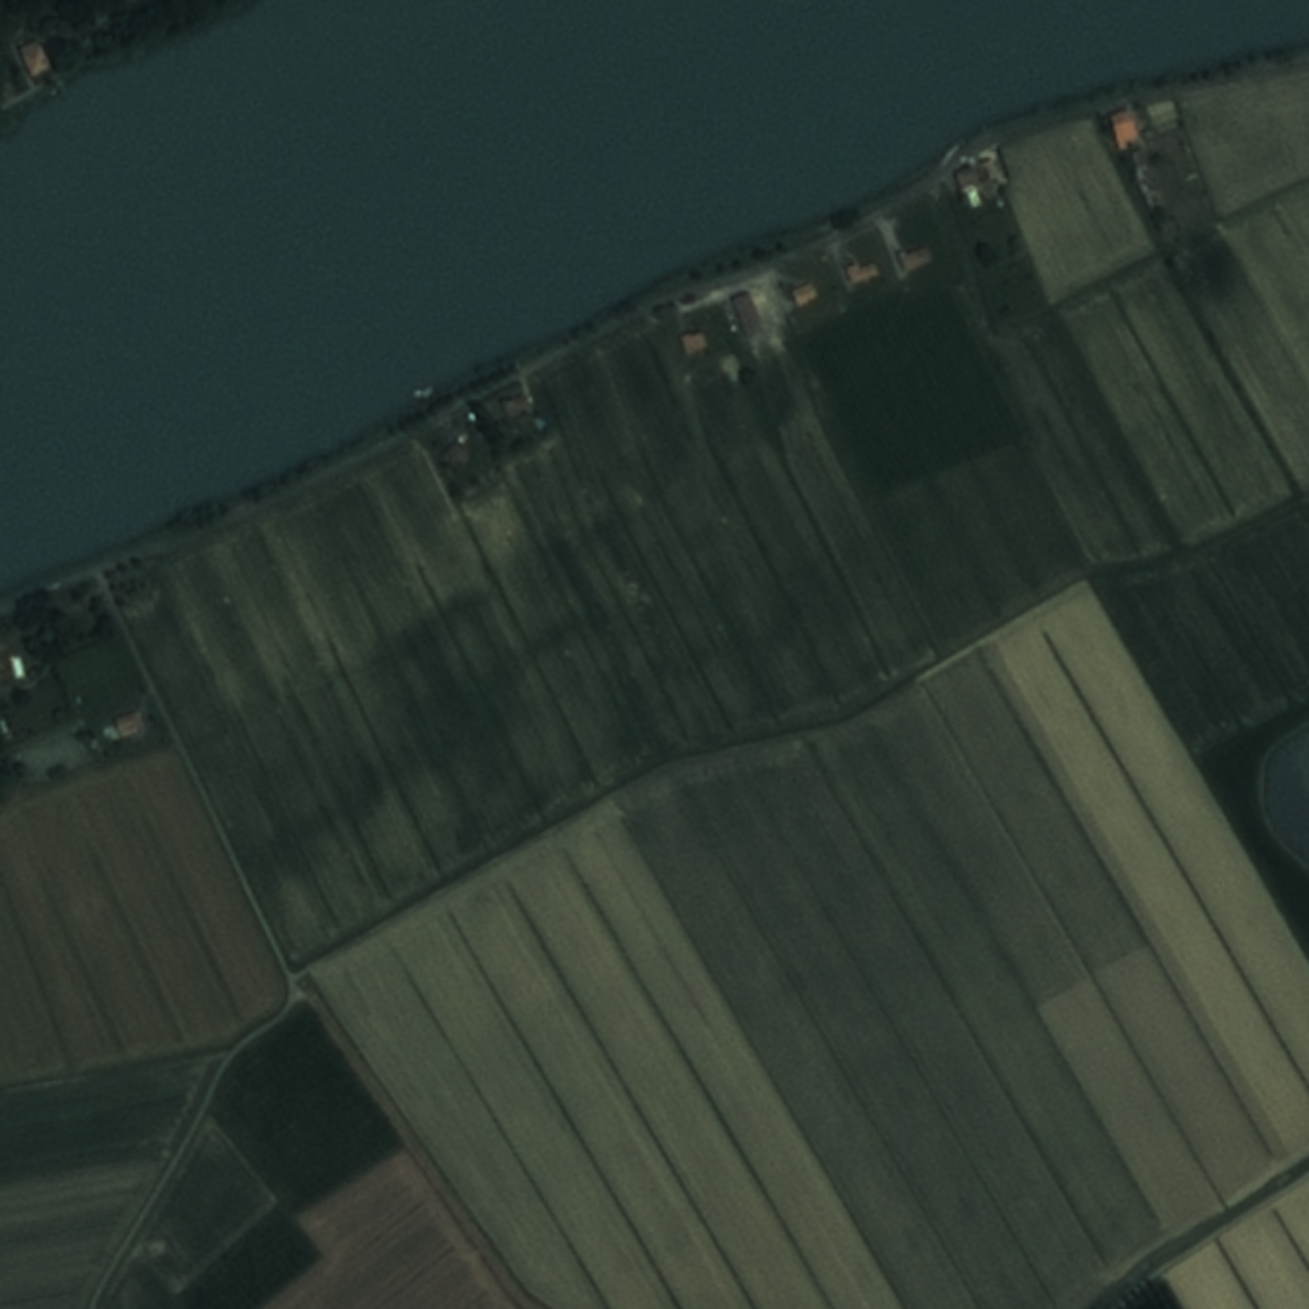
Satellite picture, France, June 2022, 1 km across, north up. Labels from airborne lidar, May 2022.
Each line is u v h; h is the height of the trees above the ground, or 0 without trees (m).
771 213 0
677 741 0
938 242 0
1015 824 0
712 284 0
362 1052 0
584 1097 0
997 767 0
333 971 0
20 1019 0
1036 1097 0
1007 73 0
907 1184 0
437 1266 0
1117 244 0
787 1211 0
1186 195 0
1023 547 0
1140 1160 0
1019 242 9
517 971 0
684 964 0
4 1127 0
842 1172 0
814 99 0
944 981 0
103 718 0
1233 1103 0
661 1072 0
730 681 0
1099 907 0
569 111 0
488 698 0
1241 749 0
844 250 0
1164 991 0
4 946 0
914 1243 0
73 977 0
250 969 0
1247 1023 0
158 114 0
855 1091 0
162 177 0
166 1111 0
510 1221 0
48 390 0
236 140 0
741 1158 0
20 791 0
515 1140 0
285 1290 0
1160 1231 0
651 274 0
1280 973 0
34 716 0
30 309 0
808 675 0
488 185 0
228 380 0
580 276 0
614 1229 0
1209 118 0
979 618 0
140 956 0
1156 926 0
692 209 0
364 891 0
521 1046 0
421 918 0
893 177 0
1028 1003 0
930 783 0
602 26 0
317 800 0
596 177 0
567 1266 0
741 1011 0
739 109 0
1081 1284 0
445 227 0
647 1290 0
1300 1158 0
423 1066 0
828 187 0
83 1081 0
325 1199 0
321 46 0
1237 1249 0
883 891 0
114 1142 0
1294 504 0
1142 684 0
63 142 0
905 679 0
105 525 0
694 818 0
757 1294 0
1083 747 0
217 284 0
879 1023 0
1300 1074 0
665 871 0
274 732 0
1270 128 0
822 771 0
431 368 0
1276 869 0
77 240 0
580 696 0
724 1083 0
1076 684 0
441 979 0
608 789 0
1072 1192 0
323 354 0
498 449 7
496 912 0
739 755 0
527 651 0
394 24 0
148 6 15
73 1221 0
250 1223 0
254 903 0
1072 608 0
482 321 0
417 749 0
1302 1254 0
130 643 0
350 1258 0
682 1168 0
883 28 0
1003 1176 0
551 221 0
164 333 0
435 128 0
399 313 0
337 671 0
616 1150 0
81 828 0
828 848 0
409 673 0
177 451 0
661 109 0
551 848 0
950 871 0
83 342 0
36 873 0
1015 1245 0
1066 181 0
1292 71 0
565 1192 0
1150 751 0
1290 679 0
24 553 0
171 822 0
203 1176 0
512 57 0
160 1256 0
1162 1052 0
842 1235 0
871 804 0
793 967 0
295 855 0
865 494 0
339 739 0
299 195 0
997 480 0
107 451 0
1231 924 0
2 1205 0
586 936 0
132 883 0
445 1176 0
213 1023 0
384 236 0
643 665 0
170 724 0
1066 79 0
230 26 0
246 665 0
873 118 0
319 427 0
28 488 0
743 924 0
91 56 7
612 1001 0
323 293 0
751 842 0
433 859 0
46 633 10
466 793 0
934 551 0
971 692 0
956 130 0
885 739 0
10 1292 0
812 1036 0
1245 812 0
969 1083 0
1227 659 0
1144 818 0
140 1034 0
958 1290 0
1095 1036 0
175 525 9
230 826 0
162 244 0
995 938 0
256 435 0
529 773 0
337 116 0
